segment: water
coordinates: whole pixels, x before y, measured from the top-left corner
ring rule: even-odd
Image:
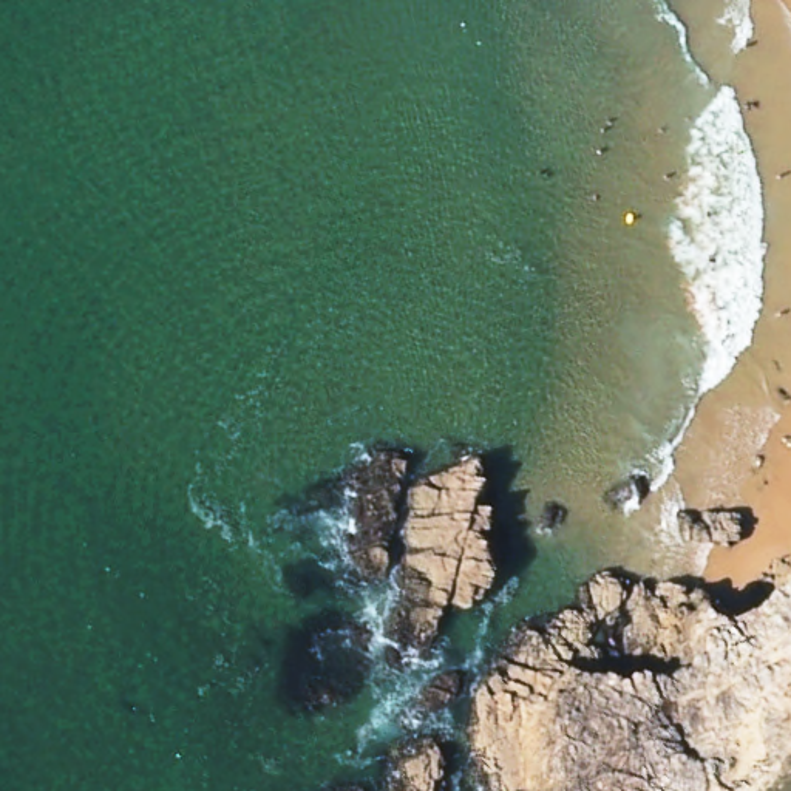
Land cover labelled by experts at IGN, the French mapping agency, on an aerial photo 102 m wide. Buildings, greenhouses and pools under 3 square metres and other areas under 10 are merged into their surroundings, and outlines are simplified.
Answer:
[[[621,535],[624,501],[637,494],[649,497],[649,485],[661,488],[670,479],[674,451],[689,436],[698,399],[732,371],[738,352],[751,343],[751,331],[760,312],[760,179],[732,90],[720,90],[717,99],[695,117],[689,139],[680,130],[667,130],[658,121],[667,105],[667,93],[686,77],[674,28],[658,22],[661,12],[670,9],[686,25],[686,31],[692,28],[692,19],[686,15],[680,0],[0,0],[0,791],[386,791],[386,776],[392,769],[405,766],[408,760],[433,748],[439,748],[439,779],[433,791],[476,791],[479,782],[488,782],[488,772],[473,757],[473,689],[482,686],[488,677],[507,677],[516,652],[525,646],[528,630],[535,630],[547,643],[550,624],[562,612],[581,612],[581,593],[587,593],[599,578],[612,575],[612,565],[618,562],[609,553],[615,550],[615,541]],[[491,507],[485,544],[494,575],[488,587],[473,587],[470,609],[442,609],[436,633],[426,640],[420,652],[408,643],[386,637],[386,621],[399,603],[399,569],[392,565],[389,578],[362,575],[352,562],[352,550],[346,541],[349,531],[340,531],[340,519],[349,519],[355,513],[355,488],[349,488],[352,473],[371,460],[368,448],[380,439],[417,445],[420,451],[426,451],[433,439],[448,439],[448,445],[454,439],[463,439],[479,442],[485,448],[485,454],[479,457],[482,488],[476,501]]]

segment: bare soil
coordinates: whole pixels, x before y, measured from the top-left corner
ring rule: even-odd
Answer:
[[[442,609],[470,609],[473,587],[488,587],[494,575],[485,544],[491,507],[476,501],[482,488],[479,457],[485,454],[485,448],[479,442],[463,439],[454,439],[448,445],[448,439],[433,439],[426,451],[420,451],[417,445],[380,439],[368,448],[371,460],[352,473],[349,488],[355,488],[355,513],[349,519],[340,519],[340,531],[349,531],[346,541],[352,550],[352,562],[362,575],[389,578],[392,565],[399,569],[399,603],[386,621],[386,637],[408,643],[420,652],[426,640],[436,633]]]
[[[686,25],[670,9],[661,12],[658,22],[674,28],[686,77],[667,93],[667,105],[658,121],[667,130],[680,130],[689,139],[695,117],[717,99],[720,90],[732,90],[760,179],[760,312],[751,331],[751,343],[738,352],[732,371],[698,399],[689,436],[674,451],[670,479],[661,488],[649,485],[649,497],[637,494],[624,501],[621,535],[615,541],[615,550],[609,553],[618,562],[612,565],[612,575],[599,578],[587,593],[581,593],[581,612],[562,612],[550,624],[547,643],[535,630],[528,630],[525,646],[516,652],[507,677],[488,677],[482,686],[473,689],[473,757],[488,772],[488,782],[479,782],[476,791],[791,791],[791,0],[680,0],[686,15],[692,19],[692,28],[686,31]]]
[[[433,791],[439,779],[439,748],[433,748],[408,760],[405,766],[392,769],[386,776],[386,791]]]

